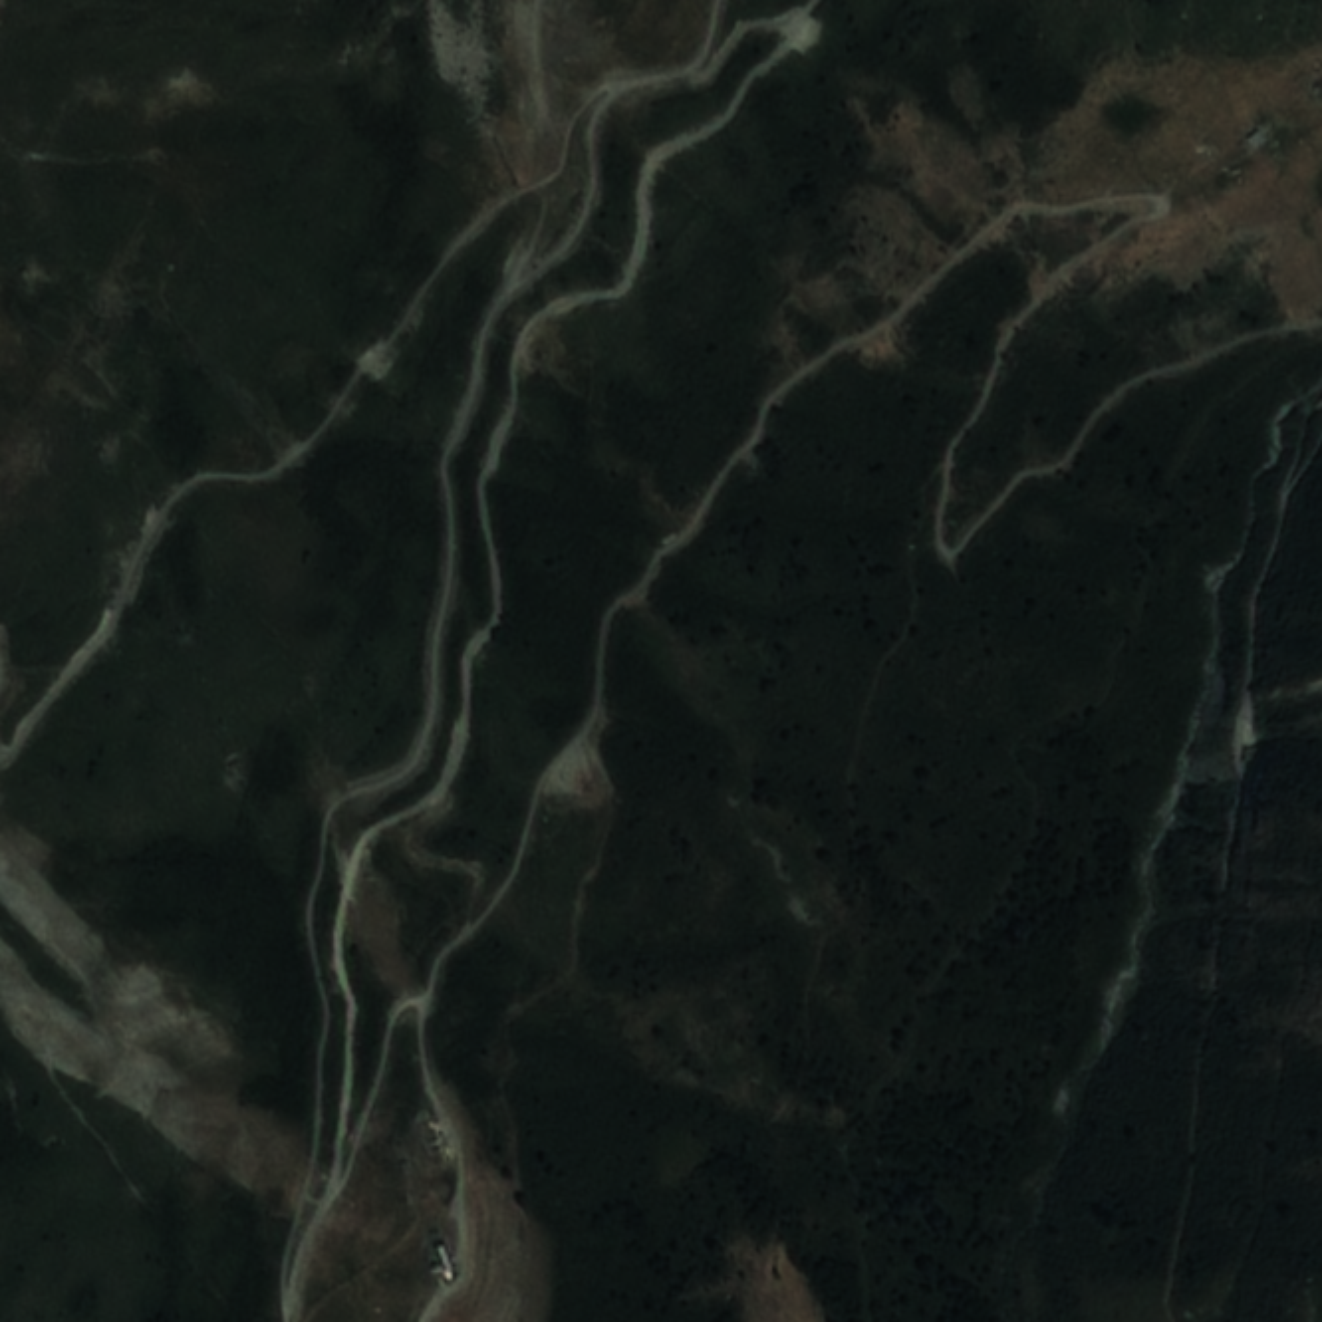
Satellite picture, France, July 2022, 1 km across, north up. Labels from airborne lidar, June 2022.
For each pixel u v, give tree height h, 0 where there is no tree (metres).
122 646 0
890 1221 10
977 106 0
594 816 0
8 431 0
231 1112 0
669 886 10
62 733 0
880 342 0
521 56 0
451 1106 0
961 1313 15
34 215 0
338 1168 0
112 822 0
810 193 14
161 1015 0
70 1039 0
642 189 0
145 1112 0
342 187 0
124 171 0
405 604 0
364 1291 0
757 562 10
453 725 0
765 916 0
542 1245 0
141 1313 0
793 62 0
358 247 0
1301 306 0
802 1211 6
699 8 0
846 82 0
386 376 0
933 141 0
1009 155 0
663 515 0
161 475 0
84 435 0
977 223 0
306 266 0
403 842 0
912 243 0
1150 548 7
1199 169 0
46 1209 0
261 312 0
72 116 0
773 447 9
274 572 0
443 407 0
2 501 0
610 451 0
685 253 0
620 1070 5
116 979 0
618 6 0
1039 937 11
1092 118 0
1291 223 0
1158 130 0
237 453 0
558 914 0
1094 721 10
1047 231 0
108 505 0
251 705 0
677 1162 0
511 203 0
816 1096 6
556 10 0
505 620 9
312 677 0
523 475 0
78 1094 0
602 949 0
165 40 0
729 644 0
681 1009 0
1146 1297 0
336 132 0
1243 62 0
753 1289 0
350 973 0
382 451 5
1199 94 0
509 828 0
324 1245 0
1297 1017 0
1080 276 0
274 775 6
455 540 0
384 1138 0
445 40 0
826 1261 11
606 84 0
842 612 11
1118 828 11
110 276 0
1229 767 0
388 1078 0
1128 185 0
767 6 0
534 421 0
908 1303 14
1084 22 0
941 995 8
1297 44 0
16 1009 0
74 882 0
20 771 0
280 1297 0
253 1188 0
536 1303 0
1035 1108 10
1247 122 0
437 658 0
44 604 0
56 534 0
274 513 0
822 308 0
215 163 0
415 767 0
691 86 0
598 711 0
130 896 0
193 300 0
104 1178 0
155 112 0
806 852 0
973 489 0
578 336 0
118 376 0
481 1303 0
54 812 0
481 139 0
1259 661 5
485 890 0
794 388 0
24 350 0
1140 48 8
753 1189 9
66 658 0
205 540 0
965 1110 13
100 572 0
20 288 0
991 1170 12
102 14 0
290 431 0
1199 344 0
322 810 0
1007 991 9
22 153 0
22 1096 0
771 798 7
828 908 0
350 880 0
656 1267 10
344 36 0
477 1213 0
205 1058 0
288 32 0
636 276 0
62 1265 0
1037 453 0
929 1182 10
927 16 9
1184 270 0
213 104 0
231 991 0
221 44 0
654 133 0
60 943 0
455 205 0
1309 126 0
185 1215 0
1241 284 0
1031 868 8
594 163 0
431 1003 0
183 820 0
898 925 7
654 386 0
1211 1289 0
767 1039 13
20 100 0
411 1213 0
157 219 0
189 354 0
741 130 0
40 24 0
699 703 0
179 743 0
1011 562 10
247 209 0
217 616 0
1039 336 0
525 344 0
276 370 0
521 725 0
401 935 0
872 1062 7
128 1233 0
